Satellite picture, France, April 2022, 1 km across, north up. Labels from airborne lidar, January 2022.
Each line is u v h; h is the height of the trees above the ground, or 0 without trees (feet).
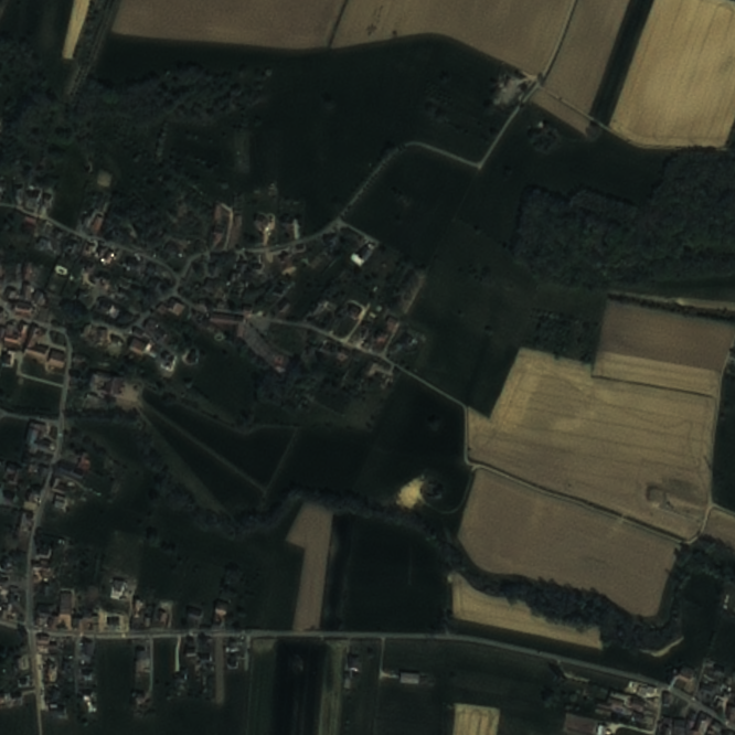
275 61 0
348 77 0
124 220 66
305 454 0
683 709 0
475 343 0
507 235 0
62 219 0
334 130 0
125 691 0
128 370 33
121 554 0
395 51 0
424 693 0
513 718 0
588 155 0
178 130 0
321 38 0
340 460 0
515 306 0
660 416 0
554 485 0
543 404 0
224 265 41
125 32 0
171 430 0
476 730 0
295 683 0
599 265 63
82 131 58
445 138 0
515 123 0
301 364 55
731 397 0
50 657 0
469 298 0
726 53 0
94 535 0
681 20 0
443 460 0
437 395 0
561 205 60
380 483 0
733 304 0
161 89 30
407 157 0
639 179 0
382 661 0
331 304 0
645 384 0
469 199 0
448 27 0
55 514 0
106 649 0
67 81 0
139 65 0
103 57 0
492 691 0
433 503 0
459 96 0
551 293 0
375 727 0
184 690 0
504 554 0
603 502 0
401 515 57
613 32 0
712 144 0
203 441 0
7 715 0
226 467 0
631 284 41
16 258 22
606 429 0
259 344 0
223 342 0
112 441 0
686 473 0
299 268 0
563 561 0
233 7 0
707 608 0
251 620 0
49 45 0
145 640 0
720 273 56
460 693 0
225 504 0
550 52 0
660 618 0
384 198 0
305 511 0
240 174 0
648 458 0
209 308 41
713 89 0
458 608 0
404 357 0
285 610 0
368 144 0
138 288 33
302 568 0
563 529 0
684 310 28
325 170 0
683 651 0
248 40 0
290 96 0
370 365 0
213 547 0
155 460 60
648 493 0
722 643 0
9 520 0
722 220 70
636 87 0
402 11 0
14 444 0
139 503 0
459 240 0
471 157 0
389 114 0
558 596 89
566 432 0
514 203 0
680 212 51
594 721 0
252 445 0
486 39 0
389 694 0
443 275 0
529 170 0
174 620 0
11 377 0
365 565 0
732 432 0
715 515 0
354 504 69
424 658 0
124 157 0
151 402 0
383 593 0
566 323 22
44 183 41
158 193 0
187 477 0
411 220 0
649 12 0
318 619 0
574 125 0
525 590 78
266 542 0
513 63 0
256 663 0
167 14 0
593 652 0
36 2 0
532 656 0
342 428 0
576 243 86
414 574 0
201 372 0
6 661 38
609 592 0
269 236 0
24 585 0
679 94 0
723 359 0
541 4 0
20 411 34
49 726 0
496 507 0
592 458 0
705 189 69
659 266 72
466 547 0
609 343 0
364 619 0
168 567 0
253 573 0
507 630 0
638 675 0
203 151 0
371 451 0
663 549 0
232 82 23
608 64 0
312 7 0
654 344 0
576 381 0
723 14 0
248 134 0
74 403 0
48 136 37
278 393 55
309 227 0
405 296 18
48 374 0
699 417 0
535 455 0
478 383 0
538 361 0
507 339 0
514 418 0
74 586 0
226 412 0
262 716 0
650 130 0
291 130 0
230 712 0
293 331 0
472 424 0
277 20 0
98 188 0
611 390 0
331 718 0
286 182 0
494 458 0
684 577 33
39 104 66
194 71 50
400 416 0
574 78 0
